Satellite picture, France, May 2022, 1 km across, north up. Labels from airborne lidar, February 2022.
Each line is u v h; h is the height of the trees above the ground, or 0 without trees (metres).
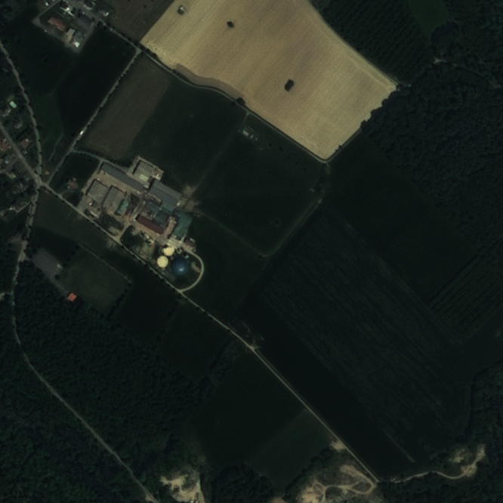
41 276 22
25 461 34
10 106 0
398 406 0
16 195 0
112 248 0
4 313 23
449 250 0
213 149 0
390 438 0
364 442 0
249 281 0
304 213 0
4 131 0
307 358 0
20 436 31
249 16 0
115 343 27
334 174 0
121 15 0
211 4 0
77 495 30
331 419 0
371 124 12
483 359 0
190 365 0
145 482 24
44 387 26
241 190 0
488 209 13
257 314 0
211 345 0
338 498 0
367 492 0
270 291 0
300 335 0
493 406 33
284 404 0
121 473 19
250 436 0
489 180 12
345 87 0
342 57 0
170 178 0
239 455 0
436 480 12
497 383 21
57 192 0
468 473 0
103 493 33
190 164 0
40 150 0
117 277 0
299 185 0
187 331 0
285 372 0
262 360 0
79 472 32
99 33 0
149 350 8
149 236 0
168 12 0
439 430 0
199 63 0
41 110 0
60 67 0
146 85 0
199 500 0
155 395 23
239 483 8
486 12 27
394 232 0
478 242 15
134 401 25
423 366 0
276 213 0
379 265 0
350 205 0
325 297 0
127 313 0
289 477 0
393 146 29
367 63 0
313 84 0
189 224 0
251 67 0
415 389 0
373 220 0
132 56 0
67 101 0
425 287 0
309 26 0
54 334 25
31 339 25
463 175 19
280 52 0
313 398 0
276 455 0
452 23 0
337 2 9
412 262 0
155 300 0
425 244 0
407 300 0
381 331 0
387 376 0
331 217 0
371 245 0
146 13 0
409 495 11
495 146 24
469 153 23
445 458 11
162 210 0
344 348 0
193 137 0
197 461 0
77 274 0
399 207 0
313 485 0
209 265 0
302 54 0
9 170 0
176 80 0
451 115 29
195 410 25
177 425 22
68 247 0
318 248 0
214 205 0
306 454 0
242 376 0
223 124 0
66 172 0
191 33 0
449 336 0
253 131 0
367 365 0
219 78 0
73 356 27
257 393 0
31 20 0
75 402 25
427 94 18
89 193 0
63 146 0
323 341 0
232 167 0
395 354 0
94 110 0
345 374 0
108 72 0
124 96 0
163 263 0
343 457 0
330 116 0
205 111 0
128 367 26
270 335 0
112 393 26
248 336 0
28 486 30
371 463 0
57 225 0
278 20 0
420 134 29
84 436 28
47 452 25
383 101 0
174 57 0
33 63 0
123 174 0
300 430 0
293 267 0
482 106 22
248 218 0
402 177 0
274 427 0
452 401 0
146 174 0
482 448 0
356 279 0
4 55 12
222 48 0
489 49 13
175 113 0
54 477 33
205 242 0
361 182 0
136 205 0
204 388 23
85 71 0
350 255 0
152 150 0
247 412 0
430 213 0
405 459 0
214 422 0
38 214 0
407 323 0
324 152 0
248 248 0
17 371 30
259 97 0
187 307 0
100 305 0
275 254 0
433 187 17
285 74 0
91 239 0
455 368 0
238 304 0
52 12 0
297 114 0
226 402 0
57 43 0
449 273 0
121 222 0
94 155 0
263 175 0
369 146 0
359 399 0
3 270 25
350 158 0
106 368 26
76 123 0
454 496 7
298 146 0
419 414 0
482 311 8
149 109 0
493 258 16
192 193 0
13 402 30
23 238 14
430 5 0
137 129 0
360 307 0
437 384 0
